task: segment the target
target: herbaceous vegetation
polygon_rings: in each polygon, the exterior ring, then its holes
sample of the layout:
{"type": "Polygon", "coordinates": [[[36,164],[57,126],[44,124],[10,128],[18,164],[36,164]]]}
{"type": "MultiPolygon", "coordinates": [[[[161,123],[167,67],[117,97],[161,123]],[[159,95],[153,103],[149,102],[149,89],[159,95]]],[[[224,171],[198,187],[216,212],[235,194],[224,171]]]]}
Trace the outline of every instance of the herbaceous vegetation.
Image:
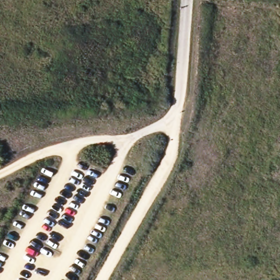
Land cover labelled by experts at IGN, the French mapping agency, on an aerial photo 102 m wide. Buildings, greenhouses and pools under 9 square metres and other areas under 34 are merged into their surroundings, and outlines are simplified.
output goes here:
{"type": "Polygon", "coordinates": [[[16,161],[50,145],[91,136],[128,135],[154,124],[167,114],[172,106],[167,102],[166,65],[172,0],[0,0],[0,139],[7,141],[11,150],[15,151],[16,161]]]}
{"type": "Polygon", "coordinates": [[[154,132],[140,138],[129,149],[124,165],[135,168],[136,174],[129,179],[128,187],[120,198],[108,197],[107,203],[114,203],[117,209],[103,209],[102,215],[112,219],[112,222],[108,222],[100,242],[94,244],[93,253],[81,267],[82,275],[79,280],[86,280],[112,235],[122,210],[127,206],[133,189],[142,176],[150,172],[152,162],[156,161],[162,140],[155,137],[154,132]]]}
{"type": "Polygon", "coordinates": [[[196,97],[195,116],[188,132],[185,133],[185,141],[179,138],[172,171],[108,280],[280,280],[280,0],[211,0],[201,4],[201,15],[207,25],[201,27],[200,31],[199,96],[196,97]],[[198,188],[190,188],[188,179],[192,175],[192,165],[198,160],[195,152],[200,140],[207,141],[209,147],[213,145],[218,148],[217,166],[221,171],[218,168],[215,170],[218,177],[211,183],[206,180],[205,183],[200,183],[198,188]]]}

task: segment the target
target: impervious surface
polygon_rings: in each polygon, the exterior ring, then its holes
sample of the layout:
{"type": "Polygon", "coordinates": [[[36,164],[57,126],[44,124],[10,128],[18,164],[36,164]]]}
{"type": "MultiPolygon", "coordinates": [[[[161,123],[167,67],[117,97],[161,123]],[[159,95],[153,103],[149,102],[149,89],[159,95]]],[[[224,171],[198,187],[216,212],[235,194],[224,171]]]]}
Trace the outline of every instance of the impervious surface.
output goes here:
{"type": "Polygon", "coordinates": [[[172,106],[167,114],[154,124],[161,132],[170,138],[163,160],[144,189],[136,209],[122,229],[95,280],[108,280],[172,171],[179,138],[187,87],[192,0],[180,0],[175,104],[172,106]]]}

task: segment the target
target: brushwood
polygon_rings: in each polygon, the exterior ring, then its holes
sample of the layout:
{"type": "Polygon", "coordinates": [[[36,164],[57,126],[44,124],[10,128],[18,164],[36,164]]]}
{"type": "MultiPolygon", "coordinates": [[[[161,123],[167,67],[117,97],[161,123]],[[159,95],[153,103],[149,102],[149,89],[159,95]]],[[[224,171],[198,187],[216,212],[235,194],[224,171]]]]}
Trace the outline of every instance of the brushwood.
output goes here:
{"type": "Polygon", "coordinates": [[[11,150],[7,141],[0,139],[0,170],[16,161],[15,151],[11,150]]]}
{"type": "Polygon", "coordinates": [[[42,168],[46,168],[52,174],[57,174],[58,171],[54,168],[55,160],[51,156],[26,165],[27,170],[32,172],[30,177],[8,180],[7,189],[22,189],[19,197],[15,199],[14,207],[0,210],[0,247],[22,206],[37,210],[34,203],[28,202],[28,198],[31,197],[31,187],[35,179],[44,175],[42,168]]]}
{"type": "Polygon", "coordinates": [[[113,163],[117,151],[113,143],[101,142],[86,145],[80,152],[84,155],[84,162],[87,165],[102,166],[106,172],[113,163]]]}
{"type": "Polygon", "coordinates": [[[127,206],[122,210],[112,235],[86,280],[95,280],[122,229],[136,209],[144,189],[163,160],[170,138],[161,132],[154,132],[155,137],[162,140],[156,161],[152,162],[150,172],[142,176],[133,189],[127,206]]]}
{"type": "Polygon", "coordinates": [[[167,102],[172,106],[175,104],[180,0],[172,0],[166,65],[167,102]]]}

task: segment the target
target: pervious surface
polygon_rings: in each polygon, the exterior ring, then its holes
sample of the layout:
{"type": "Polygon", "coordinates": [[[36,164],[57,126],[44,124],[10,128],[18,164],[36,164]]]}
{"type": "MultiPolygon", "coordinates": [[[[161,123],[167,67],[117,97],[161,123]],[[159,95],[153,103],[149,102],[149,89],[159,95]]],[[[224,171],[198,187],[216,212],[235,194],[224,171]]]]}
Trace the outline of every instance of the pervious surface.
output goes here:
{"type": "Polygon", "coordinates": [[[112,219],[102,215],[103,209],[117,209],[114,203],[107,203],[108,197],[120,198],[128,187],[129,179],[136,174],[135,168],[124,165],[129,149],[140,138],[154,132],[161,132],[154,124],[128,135],[91,136],[50,145],[16,161],[0,170],[0,210],[14,207],[15,199],[19,197],[22,189],[7,189],[8,180],[30,177],[32,172],[27,170],[26,165],[51,156],[55,160],[54,168],[58,171],[57,174],[52,174],[46,168],[42,168],[44,175],[35,179],[31,187],[31,197],[28,198],[28,202],[34,203],[37,210],[22,206],[0,247],[0,280],[79,280],[82,275],[81,267],[93,253],[94,244],[100,242],[108,222],[112,222],[112,219]],[[101,142],[113,143],[117,151],[113,163],[106,172],[102,166],[87,165],[84,162],[84,155],[80,152],[86,145],[101,142]]]}
{"type": "Polygon", "coordinates": [[[200,31],[201,27],[207,25],[201,15],[201,4],[211,0],[192,0],[187,87],[179,138],[185,141],[185,133],[188,132],[195,116],[196,97],[199,96],[200,31]]]}
{"type": "Polygon", "coordinates": [[[209,147],[207,141],[200,140],[195,152],[198,160],[192,165],[192,175],[188,179],[190,188],[198,188],[200,183],[205,183],[206,180],[211,183],[218,177],[215,170],[218,168],[221,171],[217,166],[218,148],[213,145],[209,147]]]}

